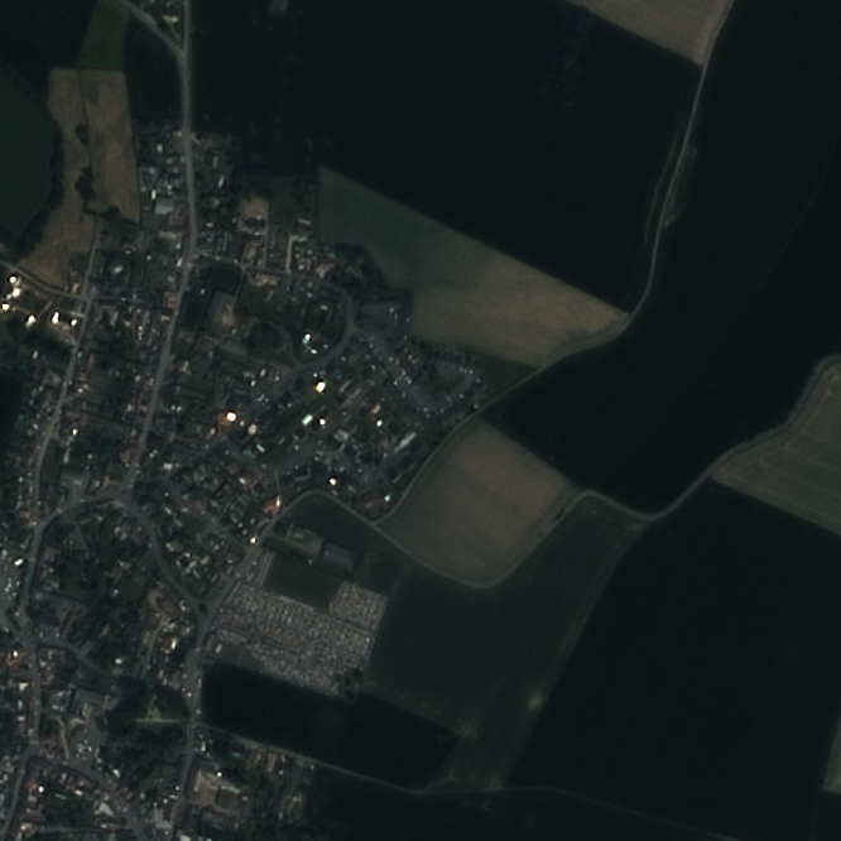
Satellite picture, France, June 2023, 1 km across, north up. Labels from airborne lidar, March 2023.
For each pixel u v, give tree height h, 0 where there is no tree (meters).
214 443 0
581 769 0
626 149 0
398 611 0
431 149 0
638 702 0
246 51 0
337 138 0
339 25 0
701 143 0
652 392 0
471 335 0
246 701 0
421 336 0
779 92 0
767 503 0
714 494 0
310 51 0
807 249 0
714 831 0
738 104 0
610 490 0
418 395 0
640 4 0
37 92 0
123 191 0
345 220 0
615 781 0
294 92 0
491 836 0
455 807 0
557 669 0
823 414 0
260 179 8
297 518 0
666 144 0
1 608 0
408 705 0
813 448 0
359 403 0
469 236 0
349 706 0
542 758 0
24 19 0
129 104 0
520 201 0
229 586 0
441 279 0
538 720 0
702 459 0
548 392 0
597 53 0
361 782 0
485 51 0
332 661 0
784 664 0
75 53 0
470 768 0
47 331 0
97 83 0
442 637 0
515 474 0
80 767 0
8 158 0
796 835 0
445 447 0
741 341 0
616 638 0
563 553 0
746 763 0
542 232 0
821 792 0
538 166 0
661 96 0
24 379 8
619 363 0
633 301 0
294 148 0
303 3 0
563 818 0
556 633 0
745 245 0
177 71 0
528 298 0
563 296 0
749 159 0
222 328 0
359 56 0
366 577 0
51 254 0
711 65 0
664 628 0
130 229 0
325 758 0
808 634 0
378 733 0
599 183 0
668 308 0
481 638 0
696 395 0
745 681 0
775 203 0
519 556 0
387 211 0
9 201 0
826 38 0
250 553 0
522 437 0
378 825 0
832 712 0
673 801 0
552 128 0
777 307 0
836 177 0
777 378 0
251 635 0
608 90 0
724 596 0
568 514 0
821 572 0
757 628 0
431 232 0
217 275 0
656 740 0
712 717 0
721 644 0
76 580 0
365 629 0
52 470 0
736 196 0
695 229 0
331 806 0
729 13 0
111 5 0
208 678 0
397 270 0
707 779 0
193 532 0
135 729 18
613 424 0
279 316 0
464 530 0
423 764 0
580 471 0
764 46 0
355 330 0
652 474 0
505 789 0
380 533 0
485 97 0
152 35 0
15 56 0
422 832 0
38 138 0
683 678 0
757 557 0
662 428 0
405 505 0
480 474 0
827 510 0
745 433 0
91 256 0
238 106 0
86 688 0
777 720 0
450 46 0
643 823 0
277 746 0
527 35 0
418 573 0
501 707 0
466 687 0
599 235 0
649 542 0
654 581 0
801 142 0
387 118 0
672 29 0
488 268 0
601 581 0
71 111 0
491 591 0
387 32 0
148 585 6
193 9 0
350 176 0
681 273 0
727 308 0
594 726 0
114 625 10
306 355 0
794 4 0
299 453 0
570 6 0
